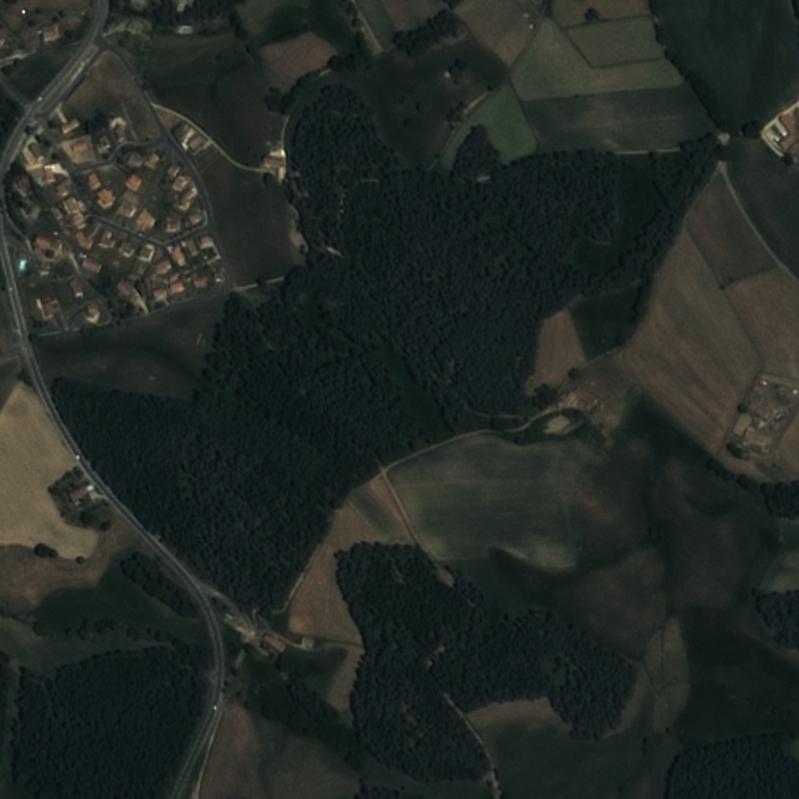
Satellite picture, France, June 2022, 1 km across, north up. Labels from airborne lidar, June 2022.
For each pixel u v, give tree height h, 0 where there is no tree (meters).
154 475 26
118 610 0
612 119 0
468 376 22
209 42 0
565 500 0
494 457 0
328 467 26
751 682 0
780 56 0
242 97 0
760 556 0
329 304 29
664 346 0
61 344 0
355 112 15
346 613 0
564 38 0
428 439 25
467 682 22
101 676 20
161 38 0
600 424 0
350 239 9
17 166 13
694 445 0
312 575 0
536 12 0
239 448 27
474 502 0
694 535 0
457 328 21
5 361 0
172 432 18
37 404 0
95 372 0
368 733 23
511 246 29
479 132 19
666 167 19
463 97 0
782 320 0
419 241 21
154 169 0
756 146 0
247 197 0
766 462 0
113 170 0
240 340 18
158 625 0
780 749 20
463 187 23
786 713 12
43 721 19
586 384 0
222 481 22
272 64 0
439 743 19
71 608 0
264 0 0
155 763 22
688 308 0
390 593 12
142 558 25
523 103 0
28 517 0
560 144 0
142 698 16
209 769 0
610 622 0
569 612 0
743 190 0
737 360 0
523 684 23
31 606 0
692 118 0
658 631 0
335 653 0
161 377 0
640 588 0
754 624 0
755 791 23
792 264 0
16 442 0
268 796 0
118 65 0
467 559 0
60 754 29
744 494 0
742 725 0
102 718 24
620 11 0
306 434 16
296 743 0
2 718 18
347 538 0
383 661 31
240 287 0
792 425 0
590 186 21
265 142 0
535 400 16
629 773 0
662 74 0
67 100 0
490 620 6
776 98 0
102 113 10
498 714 0
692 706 0
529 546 0
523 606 0
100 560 0
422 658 19
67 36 8
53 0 0
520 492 0
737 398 0
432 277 20
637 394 0
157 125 0
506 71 0
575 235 16
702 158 16
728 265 0
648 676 0
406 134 0
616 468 0
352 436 19
